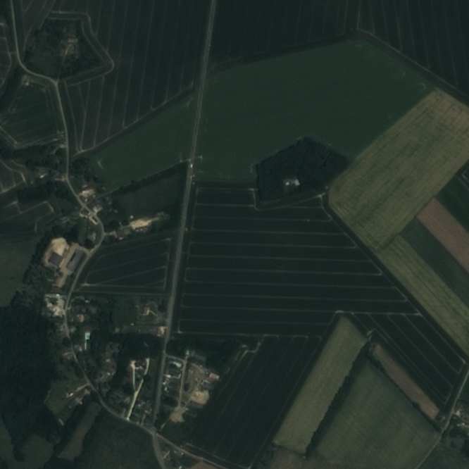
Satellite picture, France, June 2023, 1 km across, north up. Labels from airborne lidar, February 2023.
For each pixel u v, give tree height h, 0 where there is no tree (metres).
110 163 0
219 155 0
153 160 0
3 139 0
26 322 19
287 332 0
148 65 0
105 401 12
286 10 0
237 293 0
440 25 0
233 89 0
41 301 6
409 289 0
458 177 0
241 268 0
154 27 0
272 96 0
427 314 0
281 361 0
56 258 0
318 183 20
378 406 0
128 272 0
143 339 19
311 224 0
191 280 0
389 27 0
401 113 0
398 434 0
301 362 0
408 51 0
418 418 0
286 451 0
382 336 0
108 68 0
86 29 0
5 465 22
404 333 0
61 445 10
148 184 0
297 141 0
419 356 0
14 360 26
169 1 0
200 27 0
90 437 14
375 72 0
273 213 0
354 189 0
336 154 16
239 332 0
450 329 0
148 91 0
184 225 0
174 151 0
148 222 0
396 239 0
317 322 0
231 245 0
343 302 0
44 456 0
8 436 0
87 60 10
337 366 0
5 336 24
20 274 0
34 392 16
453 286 0
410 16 0
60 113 0
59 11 0
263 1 0
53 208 0
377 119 0
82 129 0
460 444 0
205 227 0
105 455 0
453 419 7
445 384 0
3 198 0
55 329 9
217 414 0
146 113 0
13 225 0
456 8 0
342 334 0
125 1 0
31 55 15
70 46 0
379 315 0
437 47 0
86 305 12
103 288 0
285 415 0
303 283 0
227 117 0
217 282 0
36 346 25
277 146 0
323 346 0
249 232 0
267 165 19
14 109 0
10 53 0
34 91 0
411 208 0
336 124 0
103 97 0
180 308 0
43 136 0
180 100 0
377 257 0
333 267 0
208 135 0
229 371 0
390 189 0
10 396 21
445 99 0
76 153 0
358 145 0
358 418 0
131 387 13
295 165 22
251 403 0
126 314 0
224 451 0
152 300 6
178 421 0
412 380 0
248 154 0
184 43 0
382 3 0
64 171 20
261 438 0
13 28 8
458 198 0
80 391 0
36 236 0
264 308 0
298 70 0
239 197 0
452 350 0
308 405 0
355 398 0
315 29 0
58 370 15
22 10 0
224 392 0
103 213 0
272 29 0
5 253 0
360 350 0
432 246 0
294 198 0
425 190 0
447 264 0
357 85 0
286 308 0
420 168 0
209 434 0
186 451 0
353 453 0
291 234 0
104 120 0
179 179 0
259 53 0
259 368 0
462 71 0
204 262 0
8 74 0
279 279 0
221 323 0
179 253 0
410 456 0
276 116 0
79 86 0
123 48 0
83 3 0
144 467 0
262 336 0
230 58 0
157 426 13
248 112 0
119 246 0
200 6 0
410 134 0
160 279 0
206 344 8
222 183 0
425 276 0
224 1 0
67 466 6
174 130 0
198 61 0
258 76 0
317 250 0
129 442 0
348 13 0
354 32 0
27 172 0
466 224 0
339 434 0
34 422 20
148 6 0
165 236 0
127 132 0
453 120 0
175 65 0
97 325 9
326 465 0
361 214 0
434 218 0
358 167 0
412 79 0
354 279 0
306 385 0
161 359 6
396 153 0
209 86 0
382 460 0
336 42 0
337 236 0
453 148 0
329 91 0
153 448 0
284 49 0
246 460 0
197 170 0
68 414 0
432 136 0
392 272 0
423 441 0
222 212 0
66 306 0
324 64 0
